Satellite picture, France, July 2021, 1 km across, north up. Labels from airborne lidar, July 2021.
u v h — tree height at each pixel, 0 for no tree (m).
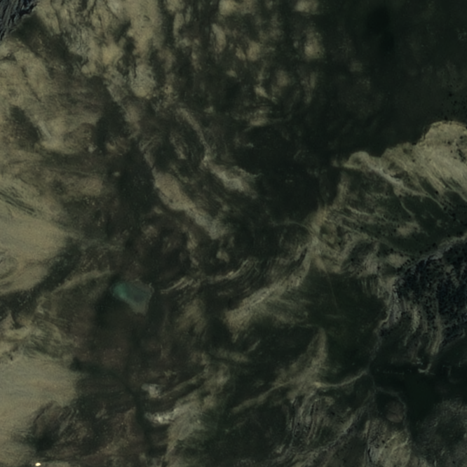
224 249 0
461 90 0
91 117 0
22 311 0
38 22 0
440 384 0
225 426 0
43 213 0
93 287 0
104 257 0
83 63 0
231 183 0
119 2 0
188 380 0
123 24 0
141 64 0
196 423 0
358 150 0
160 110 0
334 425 0
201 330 0
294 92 0
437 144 0
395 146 0
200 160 0
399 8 0
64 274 0
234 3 0
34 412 0
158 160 0
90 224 0
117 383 0
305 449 0
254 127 0
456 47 0
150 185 0
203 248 0
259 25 0
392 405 0
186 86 0
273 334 0
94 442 0
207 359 0
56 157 0
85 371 0
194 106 0
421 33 0
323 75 0
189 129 0
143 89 0
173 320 0
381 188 0
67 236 0
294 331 0
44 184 0
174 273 0
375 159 0
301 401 0
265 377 0
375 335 0
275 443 0
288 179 0
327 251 0
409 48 0
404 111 0
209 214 0
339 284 0
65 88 0
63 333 0
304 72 0
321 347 0
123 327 0
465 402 0
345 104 0
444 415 0
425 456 0
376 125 0
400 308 0
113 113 0
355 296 0
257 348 0
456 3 0
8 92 0
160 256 0
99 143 0
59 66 0
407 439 0
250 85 0
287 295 0
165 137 0
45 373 0
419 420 0
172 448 0
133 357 0
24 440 0
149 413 0
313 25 0
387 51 0
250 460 0
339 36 0
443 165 0
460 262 7
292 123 0
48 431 0
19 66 0
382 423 0
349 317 0
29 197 0
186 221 0
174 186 0
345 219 0
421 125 0
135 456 0
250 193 0
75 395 0
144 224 0
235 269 0
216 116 0
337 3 0
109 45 0
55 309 0
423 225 0
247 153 0
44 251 0
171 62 0
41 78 0
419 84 0
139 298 0
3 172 0
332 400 0
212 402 0
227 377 0
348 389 0
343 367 0
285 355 0
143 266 0
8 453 0
